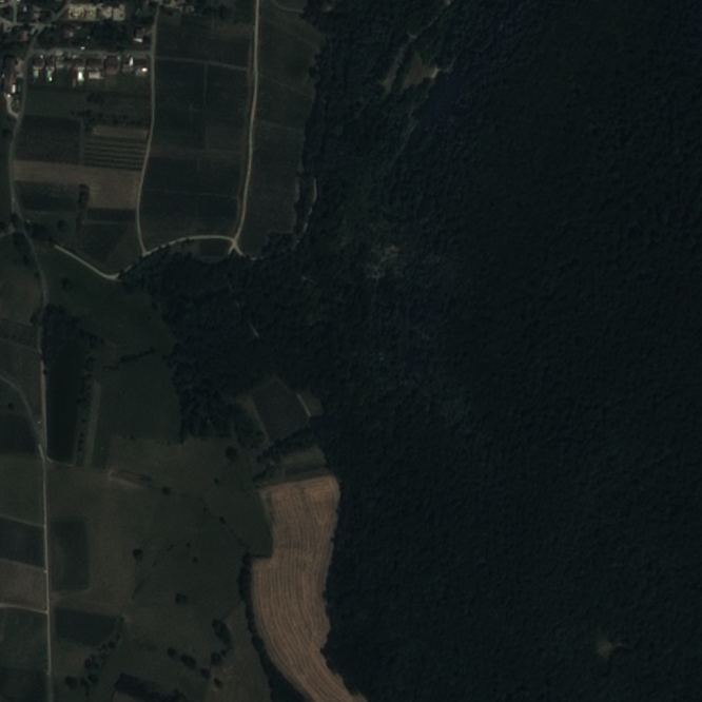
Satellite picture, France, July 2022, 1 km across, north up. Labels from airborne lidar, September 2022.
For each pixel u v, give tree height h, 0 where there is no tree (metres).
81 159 0
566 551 13
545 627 11
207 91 0
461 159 9
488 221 12
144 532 0
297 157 0
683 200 21
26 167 0
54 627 0
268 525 0
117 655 0
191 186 0
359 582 19
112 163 0
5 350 0
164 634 0
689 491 18
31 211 0
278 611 0
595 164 20
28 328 0
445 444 17
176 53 0
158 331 0
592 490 14
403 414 20
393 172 7
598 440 22
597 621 16
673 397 21
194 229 0
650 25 21
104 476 0
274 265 13
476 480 17
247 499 0
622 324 20
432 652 20
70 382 0
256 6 0
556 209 18
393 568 22
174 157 0
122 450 0
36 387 0
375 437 22
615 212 18
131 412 0
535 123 13
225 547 0
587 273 19
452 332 14
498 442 15
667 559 22
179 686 0
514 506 18
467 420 8
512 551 23
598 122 19
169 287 14
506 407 19
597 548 17
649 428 23
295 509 0
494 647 19
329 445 21
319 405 0
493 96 12
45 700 0
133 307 0
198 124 0
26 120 0
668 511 14
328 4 9
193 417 21
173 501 0
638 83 20
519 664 19
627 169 20
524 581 17
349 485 20
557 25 13
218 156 0
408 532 21
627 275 21
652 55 18
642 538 15
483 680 20
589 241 19
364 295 15
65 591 0
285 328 19
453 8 7
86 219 0
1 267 0
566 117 18
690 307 20
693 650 19
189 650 0
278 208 0
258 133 0
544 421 19
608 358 21
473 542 20
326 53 12
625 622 13
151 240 0
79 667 0
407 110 6
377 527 27
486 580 22
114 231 0
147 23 16
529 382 18
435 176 16
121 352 0
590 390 18
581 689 15
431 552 19
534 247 18
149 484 0
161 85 0
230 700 0
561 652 12
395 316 9
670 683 21
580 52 14
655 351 19
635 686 14
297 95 0
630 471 13
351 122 14
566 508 14
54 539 0
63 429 0
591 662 7
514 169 16
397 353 9
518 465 15
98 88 0
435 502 22
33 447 0
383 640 14
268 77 0
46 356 14
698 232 20
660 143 17
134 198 0
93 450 0
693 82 18
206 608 0
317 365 21
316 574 0
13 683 0
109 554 0
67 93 0
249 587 15
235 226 0
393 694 23
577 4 16
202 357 25
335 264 12
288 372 23
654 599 18
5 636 0
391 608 24
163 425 0
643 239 26
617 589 16
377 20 20
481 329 15
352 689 21
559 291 18
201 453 0
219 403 23
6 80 0
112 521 0
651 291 17
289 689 17
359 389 15
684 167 24
